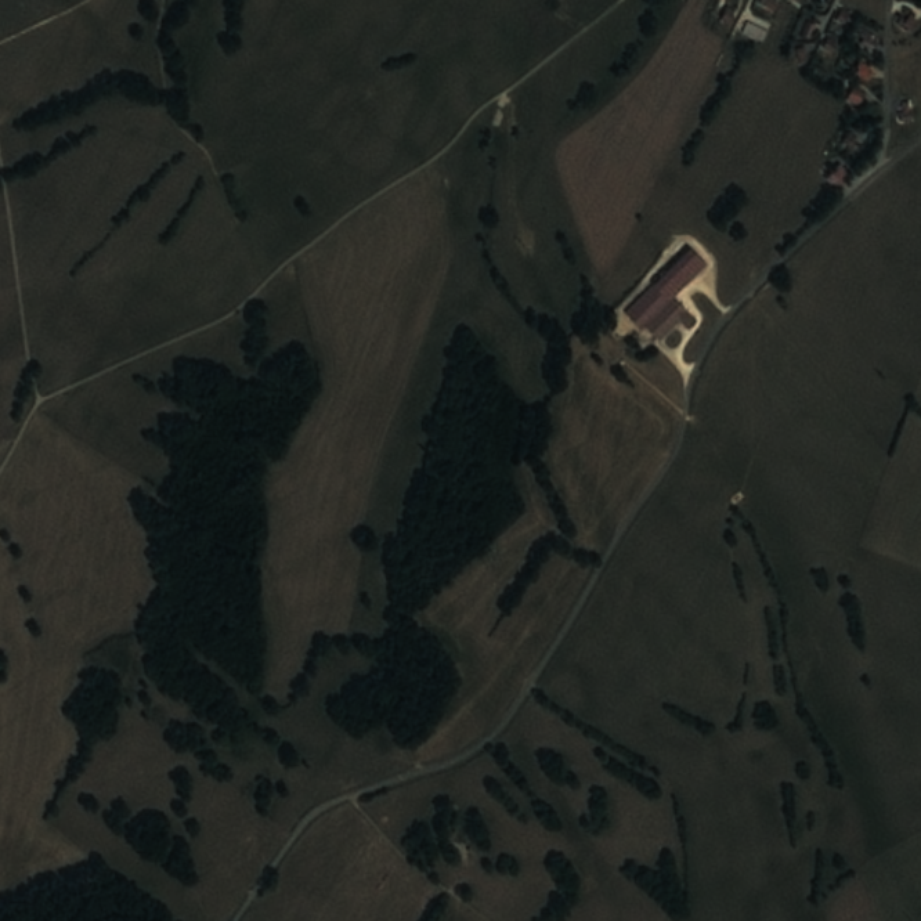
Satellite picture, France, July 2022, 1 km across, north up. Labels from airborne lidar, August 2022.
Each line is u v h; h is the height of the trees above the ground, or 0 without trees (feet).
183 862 53
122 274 0
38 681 0
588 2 0
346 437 0
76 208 0
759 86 0
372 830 0
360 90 0
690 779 0
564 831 0
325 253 0
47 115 47
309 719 0
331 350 0
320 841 0
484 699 0
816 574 35
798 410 0
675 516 0
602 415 0
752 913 0
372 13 0
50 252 0
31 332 0
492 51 0
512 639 0
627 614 0
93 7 0
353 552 0
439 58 0
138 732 0
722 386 0
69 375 0
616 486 0
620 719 0
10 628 0
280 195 0
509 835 0
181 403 61
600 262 0
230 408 25
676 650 0
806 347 0
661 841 0
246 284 0
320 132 0
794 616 0
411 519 49
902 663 0
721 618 0
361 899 0
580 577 0
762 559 26
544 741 0
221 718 51
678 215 0
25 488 0
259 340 64
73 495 0
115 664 0
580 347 0
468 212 0
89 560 0
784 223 0
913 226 0
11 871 0
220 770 32
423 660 67
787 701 0
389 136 0
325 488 0
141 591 0
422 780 0
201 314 0
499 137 0
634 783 30
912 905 0
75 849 0
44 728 0
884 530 0
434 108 0
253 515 28
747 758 0
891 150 0
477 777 0
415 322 0
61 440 0
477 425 59
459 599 0
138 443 0
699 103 0
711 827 0
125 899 76
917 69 0
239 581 48
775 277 39
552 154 0
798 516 0
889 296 0
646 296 0
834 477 0
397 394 0
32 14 0
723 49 0
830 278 0
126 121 0
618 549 0
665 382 0
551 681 0
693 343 0
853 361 0
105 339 0
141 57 0
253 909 0
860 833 0
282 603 0
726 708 0
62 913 59
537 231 0
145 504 59
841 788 22
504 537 0
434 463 42
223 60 0
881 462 0
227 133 0
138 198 35
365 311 0
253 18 0
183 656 45
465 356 55
